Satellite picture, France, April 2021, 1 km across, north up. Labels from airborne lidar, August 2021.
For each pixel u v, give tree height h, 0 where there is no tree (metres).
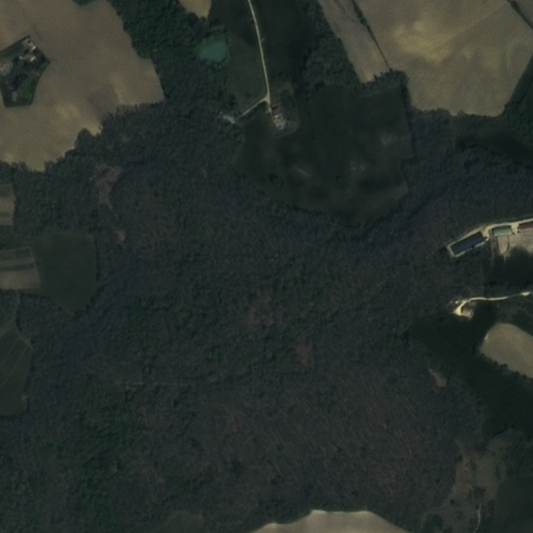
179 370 10
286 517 14
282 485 17
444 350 0
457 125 0
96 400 19
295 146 0
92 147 11
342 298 18
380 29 0
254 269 14
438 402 16
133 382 17
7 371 0
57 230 15
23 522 18
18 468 10
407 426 15
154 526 18
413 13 0
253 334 7
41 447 17
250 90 0
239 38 0
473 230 16
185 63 21
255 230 16
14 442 18
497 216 17
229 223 17
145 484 18
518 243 0
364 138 0
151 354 7
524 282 0
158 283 18
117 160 9
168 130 16
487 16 0
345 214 0
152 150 8
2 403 0
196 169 11
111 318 14
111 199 7
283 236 18
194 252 16
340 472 12
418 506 12
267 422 17
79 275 0
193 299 16
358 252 17
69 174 17
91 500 23
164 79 18
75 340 17
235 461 16
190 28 11
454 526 0
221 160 25
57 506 19
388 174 0
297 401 19
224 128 22
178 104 21
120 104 0
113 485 21
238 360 17
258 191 12
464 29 0
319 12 22
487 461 0
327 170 0
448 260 14
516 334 0
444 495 10
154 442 12
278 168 0
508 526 0
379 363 19
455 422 19
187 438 14
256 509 17
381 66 0
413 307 19
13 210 0
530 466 9
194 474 16
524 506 0
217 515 13
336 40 16
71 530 19
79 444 22
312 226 27
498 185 20
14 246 0
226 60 7
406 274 18
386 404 16
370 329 15
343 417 17
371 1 0
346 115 0
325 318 15
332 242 12
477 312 0
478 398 7
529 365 0
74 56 0
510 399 0
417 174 18
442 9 0
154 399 12
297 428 16
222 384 13
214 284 12
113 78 0
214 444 14
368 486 14
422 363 13
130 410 9
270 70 0
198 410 18
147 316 19
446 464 10
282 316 10
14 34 0
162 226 15
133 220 15
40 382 18
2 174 15
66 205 14
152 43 14
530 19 0
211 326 14
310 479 20
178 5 14
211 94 19
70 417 18
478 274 20
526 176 26
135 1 18
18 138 0
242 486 15
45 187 17
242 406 18
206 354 15
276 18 0
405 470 14
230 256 13
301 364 6
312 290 16
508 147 0
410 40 0
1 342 0
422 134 17
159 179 20
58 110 0
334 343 22
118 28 0
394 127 0
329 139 0
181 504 18
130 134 9
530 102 0
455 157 25
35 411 13
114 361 20
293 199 0
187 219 15
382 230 18
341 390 18
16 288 0
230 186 15
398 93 0
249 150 0
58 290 0
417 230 15
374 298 18
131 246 12
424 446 16
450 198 15
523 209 17
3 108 0
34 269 0
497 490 0
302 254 18
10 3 0
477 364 0
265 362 10
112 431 19
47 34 0
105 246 13
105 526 27
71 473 17
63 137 0
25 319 17
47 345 22
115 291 15
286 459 18
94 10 0
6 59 0
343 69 15
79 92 0
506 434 11
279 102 7
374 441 14
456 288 18
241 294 16
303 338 13
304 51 0
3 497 14
